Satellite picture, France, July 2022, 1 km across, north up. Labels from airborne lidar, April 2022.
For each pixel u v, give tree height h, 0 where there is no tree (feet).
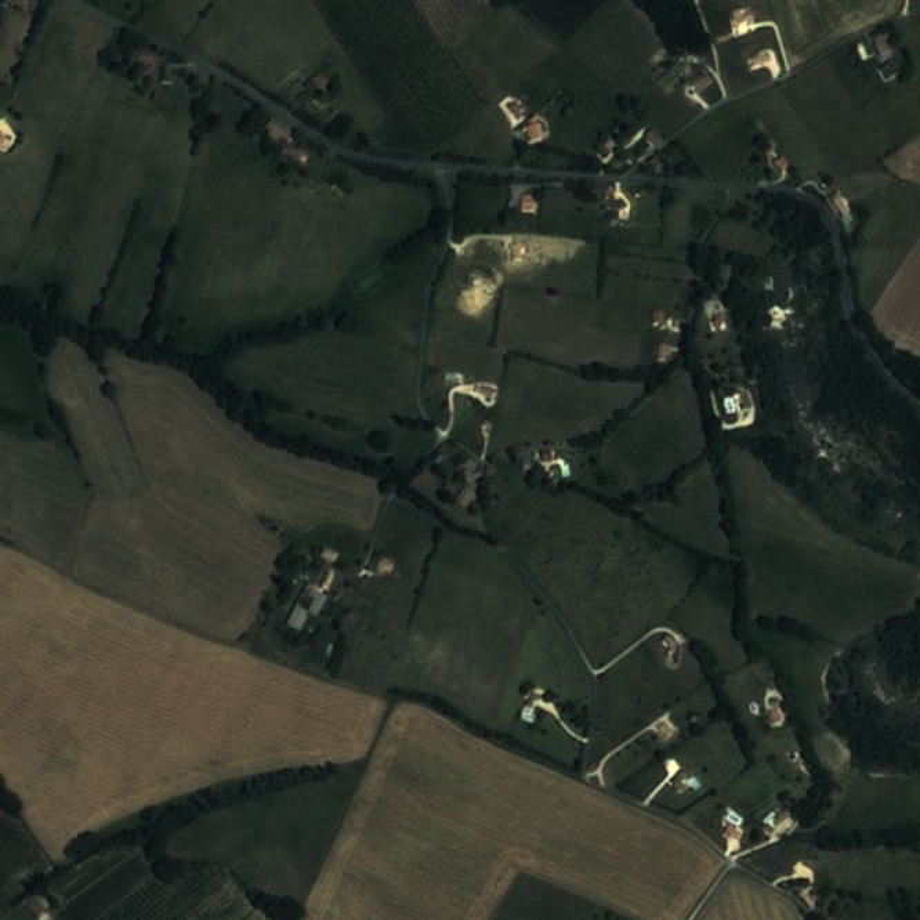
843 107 0
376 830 0
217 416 0
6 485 0
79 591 0
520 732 0
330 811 0
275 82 0
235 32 0
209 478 0
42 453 0
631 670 0
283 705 0
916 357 24
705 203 0
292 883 0
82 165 0
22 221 0
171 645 0
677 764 0
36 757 0
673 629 0
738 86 0
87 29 0
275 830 0
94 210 0
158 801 0
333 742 0
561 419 0
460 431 0
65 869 26
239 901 0
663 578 0
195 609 0
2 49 0
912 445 22
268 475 0
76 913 0
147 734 0
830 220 0
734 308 45
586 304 0
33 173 0
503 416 0
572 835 0
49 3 66
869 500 33
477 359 0
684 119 0
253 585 0
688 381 0
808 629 42
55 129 0
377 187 0
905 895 66
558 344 0
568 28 17
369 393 0
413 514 0
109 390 51
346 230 0
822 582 0
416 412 0
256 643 0
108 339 52
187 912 0
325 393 0
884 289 0
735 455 0
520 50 0
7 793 48
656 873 0
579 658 0
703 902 0
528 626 0
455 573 0
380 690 0
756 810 0
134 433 0
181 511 0
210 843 0
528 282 0
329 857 0
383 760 0
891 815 0
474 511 32
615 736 0
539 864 0
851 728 38
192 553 0
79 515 0
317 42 0
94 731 0
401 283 0
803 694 0
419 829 0
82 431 0
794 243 25
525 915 0
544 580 0
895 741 29
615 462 0
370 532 0
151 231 0
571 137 0
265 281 0
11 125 0
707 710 0
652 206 0
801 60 0
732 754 0
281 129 0
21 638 0
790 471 46
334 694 0
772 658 19
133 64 40
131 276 0
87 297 0
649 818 0
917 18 0
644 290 0
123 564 0
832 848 58
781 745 0
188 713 0
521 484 0
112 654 0
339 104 0
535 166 23
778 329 0
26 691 0
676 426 0
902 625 48
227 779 0
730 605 0
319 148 27
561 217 0
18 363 0
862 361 46
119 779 0
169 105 0
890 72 0
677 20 57
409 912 0
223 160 0
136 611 0
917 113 0
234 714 0
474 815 0
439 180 0
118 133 0
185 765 0
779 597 0
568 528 0
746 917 0
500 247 0
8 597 0
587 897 0
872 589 0
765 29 0
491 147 0
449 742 0
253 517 0
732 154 0
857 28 0
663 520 0
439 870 0
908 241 0
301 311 0
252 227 0
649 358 0
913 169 0
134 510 0
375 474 51
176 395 0
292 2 0
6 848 0
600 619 0
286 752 0
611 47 0
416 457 0
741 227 0
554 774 0
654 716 0
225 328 0
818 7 0
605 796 0
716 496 0
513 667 0
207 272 0
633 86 0
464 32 0
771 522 0
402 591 0
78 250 0
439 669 0
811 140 0
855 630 0
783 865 0
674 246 0
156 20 0
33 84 0
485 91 0
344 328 55
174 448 0
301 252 0
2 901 0
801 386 0
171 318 0
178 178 0
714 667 33
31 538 0
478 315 0
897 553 24
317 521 0
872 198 0
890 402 54
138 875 0
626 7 0
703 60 0
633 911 0
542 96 0
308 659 0
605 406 0
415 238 29
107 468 0
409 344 0
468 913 0
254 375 0
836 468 0
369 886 0
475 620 0
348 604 0
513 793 0
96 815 0
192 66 0
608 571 0
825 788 61
